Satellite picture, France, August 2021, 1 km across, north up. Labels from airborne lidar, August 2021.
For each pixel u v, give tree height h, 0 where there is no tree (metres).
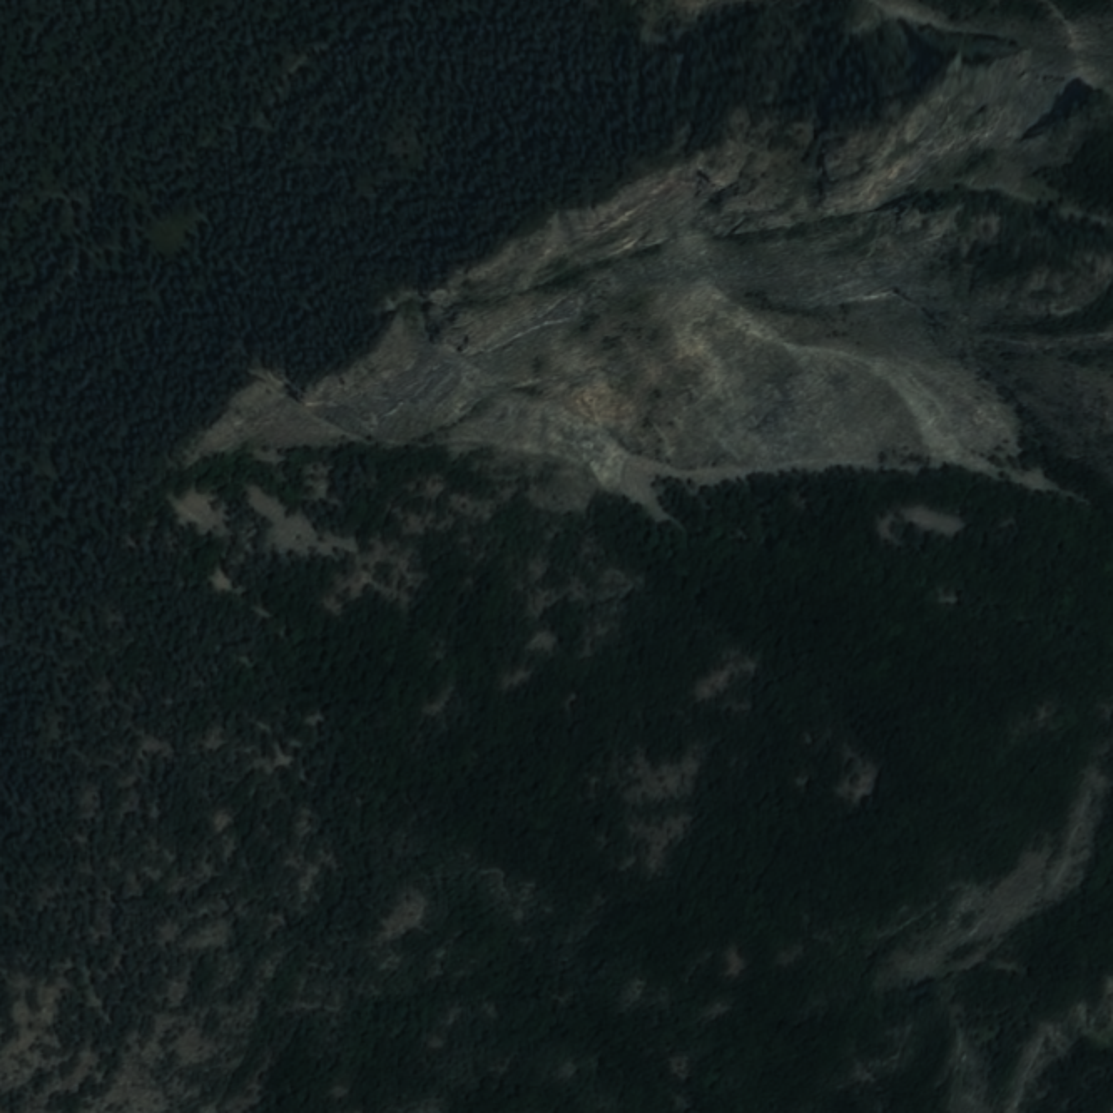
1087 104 11
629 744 12
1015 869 11
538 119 12
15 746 19
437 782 20
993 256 21
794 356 0
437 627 19
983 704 22
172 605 15
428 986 24
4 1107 8
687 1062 8
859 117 15
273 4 15
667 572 28
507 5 21
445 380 0
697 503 27
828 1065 19
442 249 13
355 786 28
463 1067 10
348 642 19
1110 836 25
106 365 15
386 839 14
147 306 22
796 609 34
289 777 25
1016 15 7
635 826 6
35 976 12
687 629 12
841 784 11
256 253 16
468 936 20
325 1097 11
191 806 21
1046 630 22
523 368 0
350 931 15
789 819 31
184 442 10
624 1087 27
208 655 13
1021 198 8
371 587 11
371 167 10
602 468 0
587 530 9
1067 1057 9
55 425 15
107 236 19
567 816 15
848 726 11
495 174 11
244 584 22
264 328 16
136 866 9
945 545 19
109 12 17
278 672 15
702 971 18
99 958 19
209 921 17
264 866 17
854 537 27
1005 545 10
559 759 20
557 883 11
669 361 0
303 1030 15
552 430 0
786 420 0
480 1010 11
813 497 27
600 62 18
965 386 0
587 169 12
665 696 10
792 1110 11
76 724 8
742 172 7
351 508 13
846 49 10
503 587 20
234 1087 16
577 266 19
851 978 11
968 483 22
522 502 15
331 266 14
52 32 17
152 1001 8
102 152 11
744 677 10
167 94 7
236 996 12
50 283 22
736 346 0
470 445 0
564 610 17
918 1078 21
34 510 20
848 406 0
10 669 15
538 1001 28
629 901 13
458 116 12
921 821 20
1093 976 17
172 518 11
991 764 20
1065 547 22
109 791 18
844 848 27
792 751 22
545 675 15
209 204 18
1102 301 19
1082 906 22
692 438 0
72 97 16
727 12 8
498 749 18
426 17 19
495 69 11
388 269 16
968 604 20
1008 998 14
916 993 7
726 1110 24
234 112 9
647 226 7
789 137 10
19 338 17
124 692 19
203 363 16
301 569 18
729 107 9
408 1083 16
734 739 12
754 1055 22
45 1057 8
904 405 0
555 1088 15
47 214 10
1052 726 9
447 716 6
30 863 18
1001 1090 12
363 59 15
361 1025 16
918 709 29
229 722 16
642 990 10
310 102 15
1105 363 10
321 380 7
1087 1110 17
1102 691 15
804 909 16
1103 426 10
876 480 22
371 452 12
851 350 0
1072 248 16
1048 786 24
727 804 17
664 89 9
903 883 18
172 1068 11
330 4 19
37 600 17
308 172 11
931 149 7
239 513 23
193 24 12
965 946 11
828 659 23
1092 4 20
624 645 12
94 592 16
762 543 22
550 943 15
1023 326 9
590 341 0
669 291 0
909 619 26
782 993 17
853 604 23
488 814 20
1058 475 25
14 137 9
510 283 7
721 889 22
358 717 19
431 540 10
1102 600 25
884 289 0
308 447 15
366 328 6
